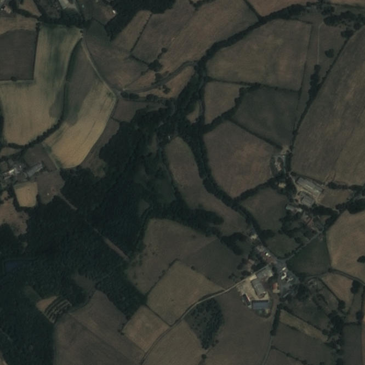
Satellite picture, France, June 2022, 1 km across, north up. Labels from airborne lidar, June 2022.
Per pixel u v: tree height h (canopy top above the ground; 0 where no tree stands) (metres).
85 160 0
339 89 0
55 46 0
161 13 12
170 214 17
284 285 0
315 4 7
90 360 0
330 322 8
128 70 0
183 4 0
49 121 0
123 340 0
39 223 15
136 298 20
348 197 0
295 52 0
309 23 5
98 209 29
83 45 0
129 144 18
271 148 0
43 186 0
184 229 0
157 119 11
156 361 0
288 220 11
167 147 0
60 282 19
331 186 13
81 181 14
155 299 0
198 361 0
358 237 0
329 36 0
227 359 0
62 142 0
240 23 0
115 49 0
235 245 13
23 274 16
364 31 0
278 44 0
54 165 0
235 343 0
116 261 23
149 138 9
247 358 0
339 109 0
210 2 10
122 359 0
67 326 0
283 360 0
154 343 0
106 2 10
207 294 0
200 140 18
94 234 17
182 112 22
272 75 0
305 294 9
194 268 9
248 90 9
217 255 0
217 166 0
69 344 0
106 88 0
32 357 20
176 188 12
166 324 0
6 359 14
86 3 0
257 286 0
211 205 0
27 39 0
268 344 0
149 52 0
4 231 18
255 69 0
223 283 0
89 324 0
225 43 24
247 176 0
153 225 0
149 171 21
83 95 0
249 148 0
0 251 18
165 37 0
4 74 0
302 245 8
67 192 18
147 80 0
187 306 0
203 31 0
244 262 15
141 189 15
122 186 21
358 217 0
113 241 23
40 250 15
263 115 0
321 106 0
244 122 0
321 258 0
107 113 0
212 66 0
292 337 0
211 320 10
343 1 0
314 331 0
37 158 0
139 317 0
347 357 0
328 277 0
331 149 0
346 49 0
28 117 0
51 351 12
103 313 0
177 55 0
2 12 0
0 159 12
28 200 0
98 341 0
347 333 0
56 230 22
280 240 0
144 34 0
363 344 0
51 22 15
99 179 9
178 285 0
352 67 0
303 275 14
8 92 0
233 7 0
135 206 18
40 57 0
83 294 14
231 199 16
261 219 0
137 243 10
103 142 0
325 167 0
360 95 0
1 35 0
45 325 20
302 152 0
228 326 0
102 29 0
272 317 0
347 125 0
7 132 0
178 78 0
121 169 20
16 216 0
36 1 9
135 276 0
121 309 14
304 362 12
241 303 0
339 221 0
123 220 21
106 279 15
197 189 0
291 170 8
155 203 16
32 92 0
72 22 18
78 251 19
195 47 0
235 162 0
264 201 0
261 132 0
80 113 0
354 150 0
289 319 0
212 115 0
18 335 19
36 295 0
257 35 0
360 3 0
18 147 14
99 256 16
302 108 0
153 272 0
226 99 0
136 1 9
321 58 0
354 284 16
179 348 0
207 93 0
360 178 0
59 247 21
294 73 0
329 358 0
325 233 8
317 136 0
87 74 0
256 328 0
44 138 11
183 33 0
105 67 0
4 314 19
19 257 13
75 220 18
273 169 0
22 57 0
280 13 18
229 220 0
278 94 0
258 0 0
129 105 0
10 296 20
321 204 0
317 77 15
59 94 0
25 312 19
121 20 15
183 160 0
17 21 0
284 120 0
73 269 20
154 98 16
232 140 0
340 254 0
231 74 0
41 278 17
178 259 0
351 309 0
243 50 0
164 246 0
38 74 0
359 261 10
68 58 0
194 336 0
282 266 0
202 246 0
